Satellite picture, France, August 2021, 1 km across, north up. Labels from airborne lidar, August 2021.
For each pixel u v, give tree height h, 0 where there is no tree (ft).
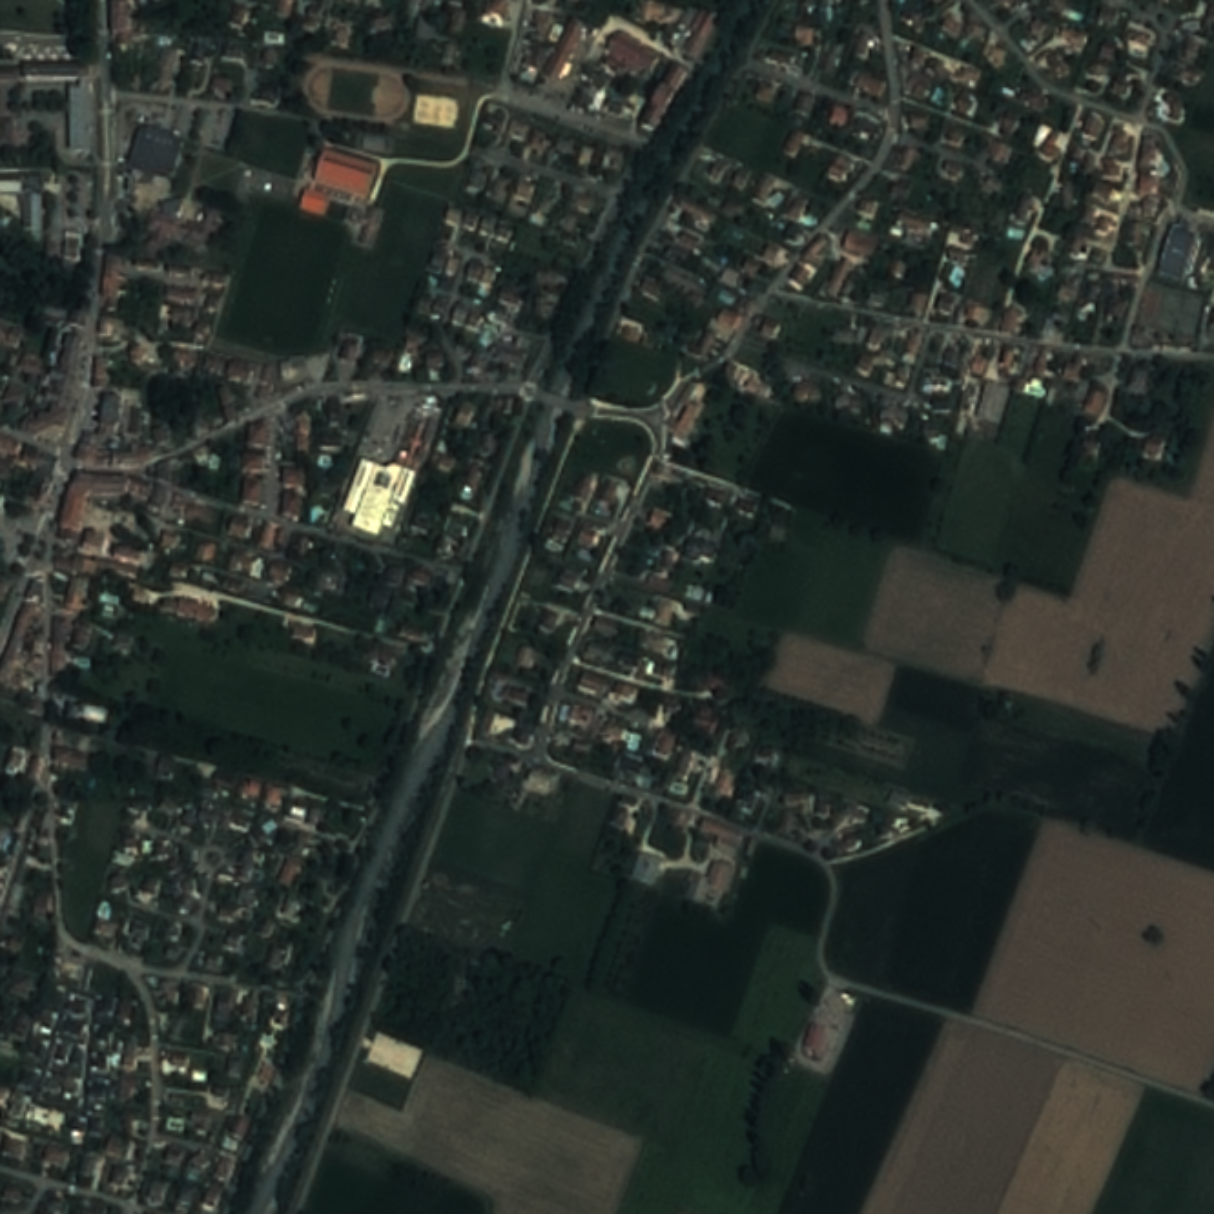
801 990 0
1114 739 0
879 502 0
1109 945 0
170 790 25
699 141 46
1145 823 24
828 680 0
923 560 0
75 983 0
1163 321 0
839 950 0
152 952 42
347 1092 0
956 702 0
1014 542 0
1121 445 23
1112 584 0
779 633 21
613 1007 0
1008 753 0
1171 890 0
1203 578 0
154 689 28
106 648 23
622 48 0
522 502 0
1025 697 0
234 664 0
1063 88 0
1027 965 0
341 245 0
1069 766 0
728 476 0
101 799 0
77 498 0
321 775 0
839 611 0
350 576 20
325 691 0
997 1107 0
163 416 58
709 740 22
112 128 0
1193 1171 0
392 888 23
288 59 19
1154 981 0
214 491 23
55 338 22
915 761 0
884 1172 0
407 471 0
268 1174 0
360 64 0
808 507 0
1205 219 0
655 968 0
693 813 0
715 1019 0
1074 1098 0
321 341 0
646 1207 0
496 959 47
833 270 20
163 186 0
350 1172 0
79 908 0
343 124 31
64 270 63
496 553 0
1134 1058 0
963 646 0
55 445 0
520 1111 0
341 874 46
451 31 17
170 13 30
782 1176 0
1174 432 19
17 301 21
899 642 0
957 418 0
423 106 0
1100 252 0
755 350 0
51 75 0
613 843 19
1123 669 0
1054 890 0
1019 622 0
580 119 0
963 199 30
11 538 0
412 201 0
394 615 40
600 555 32
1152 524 0
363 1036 0
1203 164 0
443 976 31
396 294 0
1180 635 0
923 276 30
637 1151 0
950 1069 0
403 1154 0
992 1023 0
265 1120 24
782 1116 0
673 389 0
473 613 0
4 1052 0
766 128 0
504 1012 30
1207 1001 0
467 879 0
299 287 0
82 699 28
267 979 38
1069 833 0
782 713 42
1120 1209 0
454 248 0
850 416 38
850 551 0
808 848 27
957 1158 0
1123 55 31
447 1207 0
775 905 0
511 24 0
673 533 56
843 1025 0
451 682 0
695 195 36
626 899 29
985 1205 0
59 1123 0
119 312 21
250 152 0
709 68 21
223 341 0
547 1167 0
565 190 19
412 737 47
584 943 0
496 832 0
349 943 0
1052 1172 0
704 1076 0
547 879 0
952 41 17
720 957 0
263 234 0
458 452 52
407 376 24
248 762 0
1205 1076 0
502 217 39
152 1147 0
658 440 0
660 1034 0
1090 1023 0
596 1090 0
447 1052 21
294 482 0
